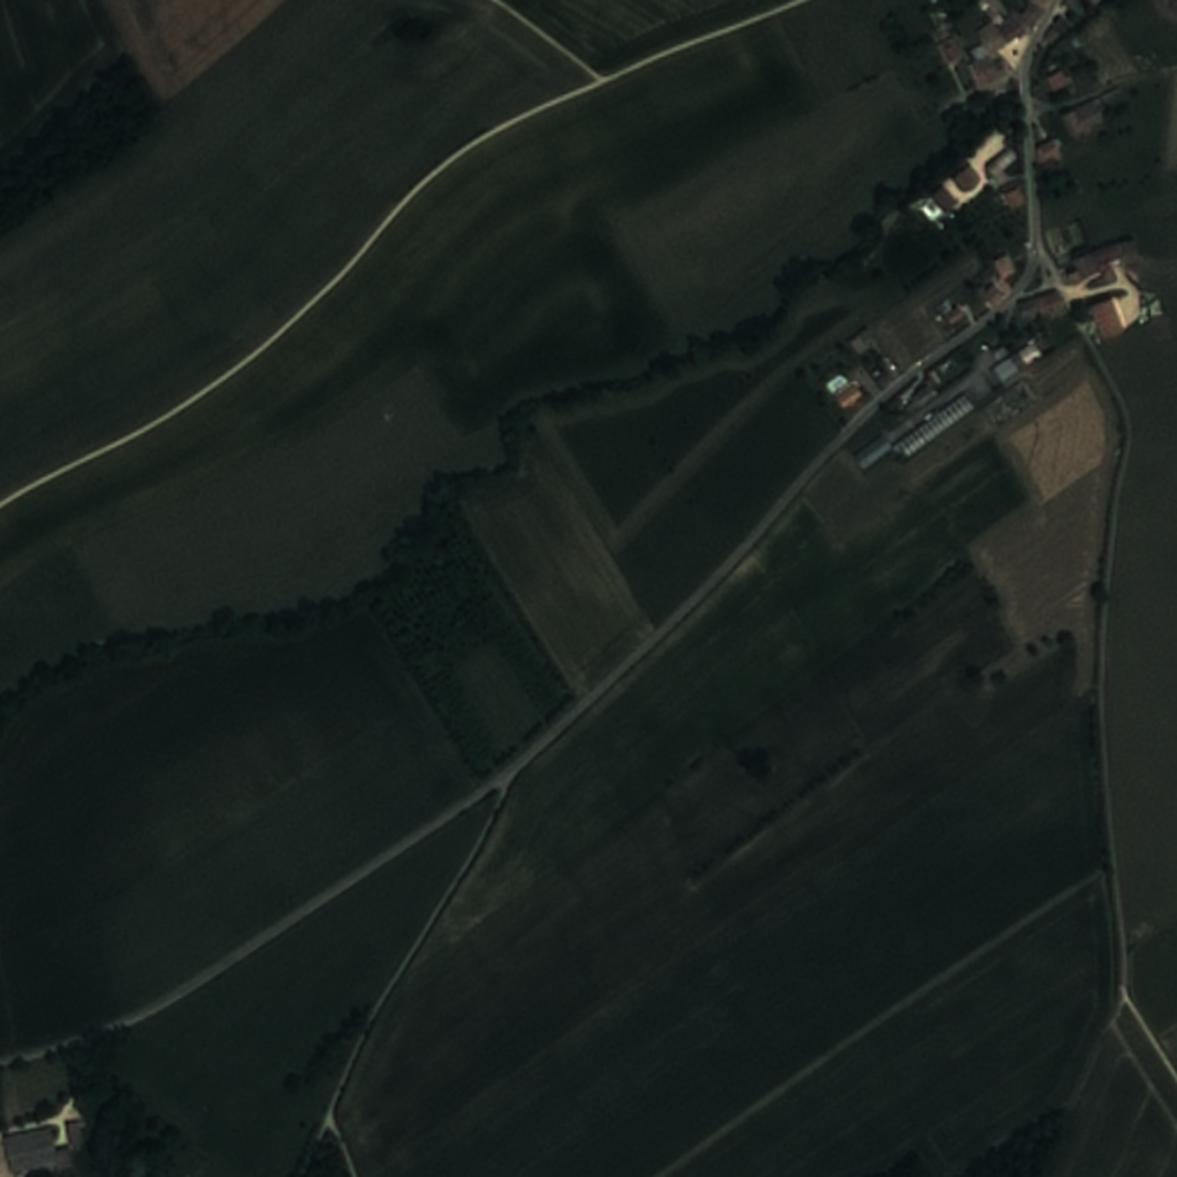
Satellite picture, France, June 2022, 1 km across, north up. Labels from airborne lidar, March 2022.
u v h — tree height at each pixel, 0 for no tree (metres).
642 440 0
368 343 0
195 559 0
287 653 0
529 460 0
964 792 0
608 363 0
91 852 0
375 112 0
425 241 0
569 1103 0
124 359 0
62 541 0
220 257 0
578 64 0
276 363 0
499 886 0
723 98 0
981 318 0
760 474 0
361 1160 0
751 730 0
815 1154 0
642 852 0
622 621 0
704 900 0
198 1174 0
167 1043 0
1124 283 0
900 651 0
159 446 0
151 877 0
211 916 0
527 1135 0
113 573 0
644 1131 0
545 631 0
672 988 0
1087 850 0
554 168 0
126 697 0
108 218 0
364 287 0
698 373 0
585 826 0
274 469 0
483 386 0
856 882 0
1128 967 0
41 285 0
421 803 0
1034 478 0
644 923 0
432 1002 0
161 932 0
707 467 0
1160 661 0
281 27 0
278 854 0
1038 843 0
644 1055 0
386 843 0
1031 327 7
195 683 0
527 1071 0
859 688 0
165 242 0
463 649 0
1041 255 0
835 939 0
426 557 0
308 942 0
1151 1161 0
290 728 0
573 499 0
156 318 0
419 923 0
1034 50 0
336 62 0
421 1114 0
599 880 0
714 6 0
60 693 0
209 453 0
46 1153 0
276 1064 0
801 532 0
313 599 0
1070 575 0
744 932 0
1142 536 0
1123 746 0
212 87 0
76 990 0
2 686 0
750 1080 0
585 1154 0
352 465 0
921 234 0
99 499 0
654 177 0
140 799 0
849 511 0
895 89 0
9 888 0
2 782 0
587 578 0
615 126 0
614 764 0
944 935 0
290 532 0
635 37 0
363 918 0
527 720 0
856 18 0
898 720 0
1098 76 0
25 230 0
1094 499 0
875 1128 0
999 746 0
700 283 0
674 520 0
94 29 0
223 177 0
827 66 0
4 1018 0
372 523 0
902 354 0
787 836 0
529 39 0
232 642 0
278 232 0
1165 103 0
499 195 0
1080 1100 0
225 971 0
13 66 0
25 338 0
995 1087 0
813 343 0
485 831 0
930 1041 0
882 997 0
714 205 0
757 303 0
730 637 0
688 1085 0
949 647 0
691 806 0
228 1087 0
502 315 0
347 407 0
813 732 0
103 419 0
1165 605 0
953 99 0
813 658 0
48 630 0
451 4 0
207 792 0
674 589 0
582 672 0
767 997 0
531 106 0
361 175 0
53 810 0
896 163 0
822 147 0
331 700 0
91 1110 0
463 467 0
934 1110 0
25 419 0
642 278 0
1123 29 0
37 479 0
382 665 0
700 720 0
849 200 0
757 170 0
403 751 0
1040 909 0
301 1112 0
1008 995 0
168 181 0
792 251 0
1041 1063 0
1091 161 0
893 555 0
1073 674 0
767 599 0
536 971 0
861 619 0
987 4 0
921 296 0
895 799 0
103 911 0
